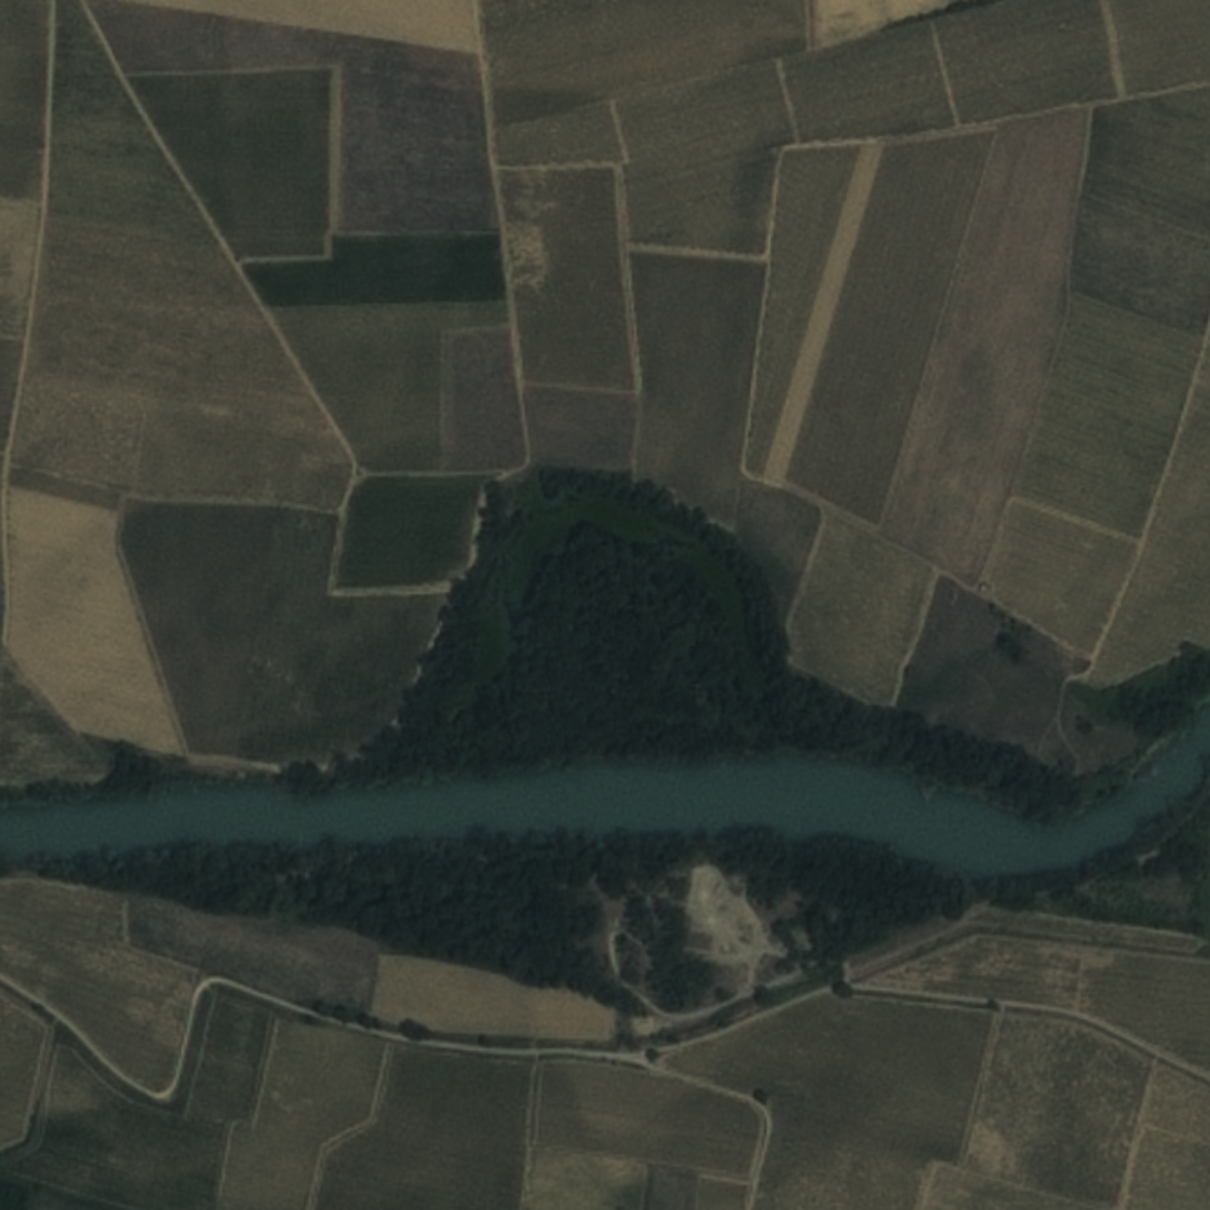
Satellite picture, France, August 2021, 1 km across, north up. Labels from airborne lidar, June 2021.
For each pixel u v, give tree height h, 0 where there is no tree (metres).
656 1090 0
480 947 19
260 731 0
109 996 0
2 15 0
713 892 0
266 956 0
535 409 0
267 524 0
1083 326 0
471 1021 0
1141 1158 0
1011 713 0
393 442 0
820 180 0
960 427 0
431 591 0
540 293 0
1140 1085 0
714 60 0
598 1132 0
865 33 0
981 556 0
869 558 0
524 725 19
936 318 0
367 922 25
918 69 0
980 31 0
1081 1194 0
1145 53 0
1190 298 0
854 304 0
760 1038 0
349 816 0
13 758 0
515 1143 0
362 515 0
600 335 0
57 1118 0
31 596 0
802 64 0
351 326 0
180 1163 0
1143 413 0
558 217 0
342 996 0
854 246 0
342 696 0
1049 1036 0
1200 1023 0
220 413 0
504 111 0
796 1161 0
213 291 0
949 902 15
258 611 0
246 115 0
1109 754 0
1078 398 0
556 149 0
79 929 0
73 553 0
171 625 0
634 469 0
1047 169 0
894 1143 0
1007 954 0
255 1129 0
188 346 0
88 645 0
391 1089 0
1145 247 0
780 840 15
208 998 0
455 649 21
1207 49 0
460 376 0
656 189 0
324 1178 0
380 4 0
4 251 0
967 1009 0
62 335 0
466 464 0
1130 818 0
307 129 0
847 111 0
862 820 0
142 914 0
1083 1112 0
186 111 0
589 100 0
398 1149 0
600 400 0
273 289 0
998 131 0
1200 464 0
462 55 0
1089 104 0
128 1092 0
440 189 0
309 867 13
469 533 0
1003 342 0
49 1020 7
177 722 0
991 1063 0
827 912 13
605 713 20
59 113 0
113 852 13
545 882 25
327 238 0
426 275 0
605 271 0
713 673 23
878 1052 0
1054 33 0
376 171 0
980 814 0
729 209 0
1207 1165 0
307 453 0
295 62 0
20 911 0
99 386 0
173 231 0
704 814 0
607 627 21
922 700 0
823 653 0
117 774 8
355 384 0
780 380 0
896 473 0
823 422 0
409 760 16
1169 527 0
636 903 16
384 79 0
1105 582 0
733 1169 0
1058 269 0
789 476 0
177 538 0
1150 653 0
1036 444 0
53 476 0
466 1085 0
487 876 14
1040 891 11
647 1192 0
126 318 0
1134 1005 0
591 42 0
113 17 0
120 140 0
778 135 0
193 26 0
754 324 0
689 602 21
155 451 0
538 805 0
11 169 0
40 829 0
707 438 0
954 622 0
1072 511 0
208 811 0
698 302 0
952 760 23
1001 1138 0
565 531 0
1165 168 0
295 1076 0
